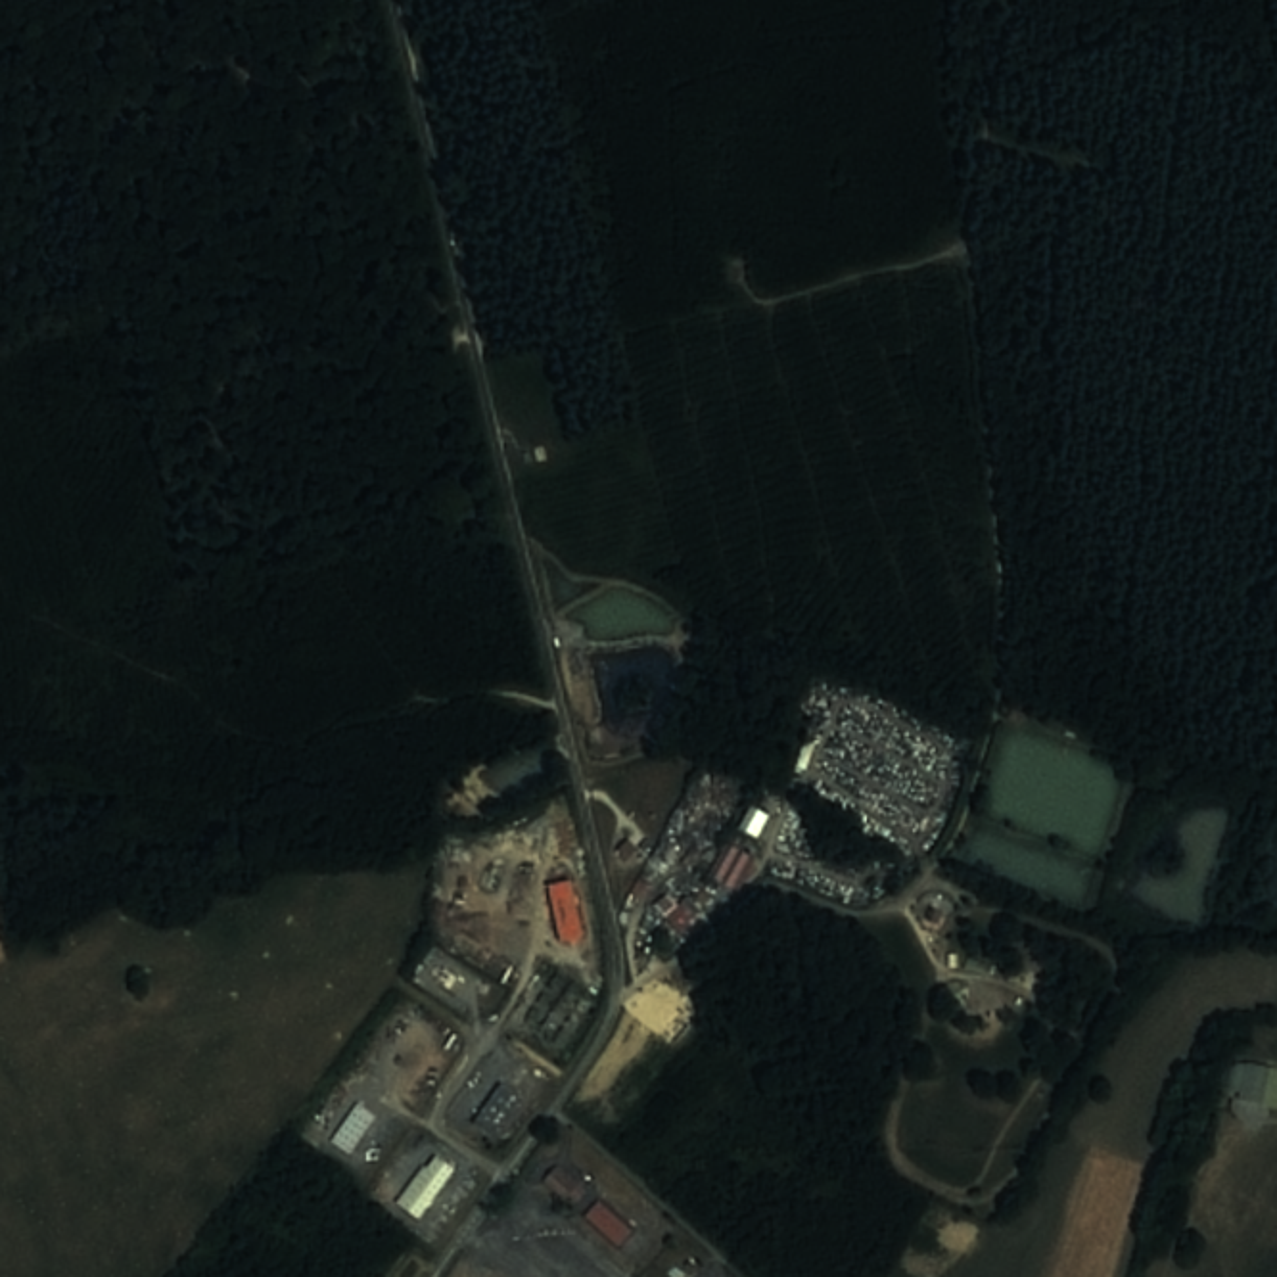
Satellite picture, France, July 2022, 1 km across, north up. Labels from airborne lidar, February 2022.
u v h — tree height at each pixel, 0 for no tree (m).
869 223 11
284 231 31
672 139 5
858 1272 10
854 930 19
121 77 28
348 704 6
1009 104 29
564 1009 0
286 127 28
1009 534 18
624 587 0
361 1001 0
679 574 9
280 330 27
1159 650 25
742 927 24
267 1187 13
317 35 30
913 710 13
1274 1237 0
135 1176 0
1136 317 25
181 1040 0
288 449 28
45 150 25
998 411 19
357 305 27
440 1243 0
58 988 0
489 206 39
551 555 0
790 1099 10
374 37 24
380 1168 0
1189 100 33
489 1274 0
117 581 0
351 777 8
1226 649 24
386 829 13
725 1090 0
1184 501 29
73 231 30
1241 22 23
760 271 8
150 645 8
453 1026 0
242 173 32
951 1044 0
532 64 27
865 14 9
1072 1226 0
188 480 27
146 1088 0
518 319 39
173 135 32
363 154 31
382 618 6
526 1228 0
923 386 13
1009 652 21
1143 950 21
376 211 29
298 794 16
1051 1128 13
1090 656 17
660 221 7
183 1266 10
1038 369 22
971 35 23
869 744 0
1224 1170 0
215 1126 0
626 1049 6
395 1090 0
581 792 0
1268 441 31
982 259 18
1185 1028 0
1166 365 33
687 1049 0
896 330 6
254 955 0
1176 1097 15
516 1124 0
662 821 0
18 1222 0
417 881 0
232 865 21
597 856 0
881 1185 9
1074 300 28
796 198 6
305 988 0
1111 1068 0
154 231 29
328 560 27
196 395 31
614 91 8
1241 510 28
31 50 30
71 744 8
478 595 22
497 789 0
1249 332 28
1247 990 0
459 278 0
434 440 32
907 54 10
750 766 19
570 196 24
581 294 26
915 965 0
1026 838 0
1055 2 24
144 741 5
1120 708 16
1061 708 20
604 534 0
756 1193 6
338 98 31
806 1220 6
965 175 22
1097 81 28
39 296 27
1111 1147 0
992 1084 19
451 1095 0
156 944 0
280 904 0
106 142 28
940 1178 0
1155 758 22
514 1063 0
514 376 0
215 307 30
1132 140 29
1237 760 31
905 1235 7
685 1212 6
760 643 8
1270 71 18
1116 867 6
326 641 7
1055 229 6
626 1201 0
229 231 32
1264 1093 0
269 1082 0
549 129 29
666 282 9
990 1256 0
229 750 9
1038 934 17
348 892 0
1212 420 32
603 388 36
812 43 7
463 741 10
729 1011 19
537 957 0
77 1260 0
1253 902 12
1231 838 6
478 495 23
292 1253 8
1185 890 0
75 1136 0
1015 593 19
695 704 25
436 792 12
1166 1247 7
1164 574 24
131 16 27
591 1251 0
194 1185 0
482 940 0
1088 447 22
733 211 6
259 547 17
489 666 8
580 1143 0
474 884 0
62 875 26
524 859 0
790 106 6
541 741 18
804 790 17
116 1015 0
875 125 9
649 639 0
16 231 27
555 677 0
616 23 7
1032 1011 10
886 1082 23
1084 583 26
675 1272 0
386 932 0
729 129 6
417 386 29
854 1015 26
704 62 9
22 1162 0
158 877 25
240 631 9
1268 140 33
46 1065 0
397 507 26
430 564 25
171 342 30
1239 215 32
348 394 30
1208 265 33
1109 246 25
